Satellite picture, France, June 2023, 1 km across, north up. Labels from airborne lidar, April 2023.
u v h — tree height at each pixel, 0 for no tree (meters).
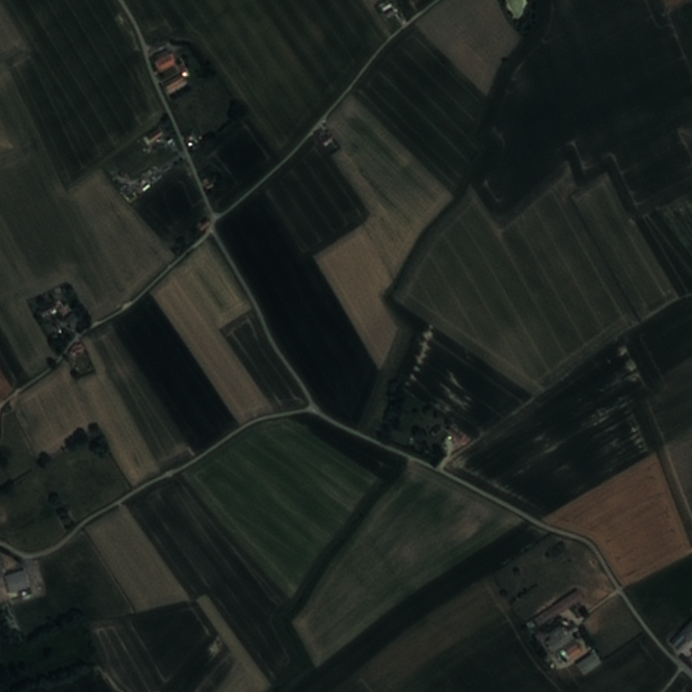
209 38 0
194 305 0
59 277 0
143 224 0
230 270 0
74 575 0
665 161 0
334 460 0
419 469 0
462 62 0
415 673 0
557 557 0
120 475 0
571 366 0
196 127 0
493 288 0
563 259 0
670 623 0
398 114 0
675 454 0
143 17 0
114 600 0
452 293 0
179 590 0
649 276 0
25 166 0
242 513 0
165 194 0
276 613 0
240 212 0
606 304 0
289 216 0
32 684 13
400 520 0
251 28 0
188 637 0
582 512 0
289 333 0
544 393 0
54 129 0
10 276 0
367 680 0
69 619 16
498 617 0
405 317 0
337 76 0
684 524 0
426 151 0
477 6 0
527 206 0
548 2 0
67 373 0
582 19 0
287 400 0
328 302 0
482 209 0
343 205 0
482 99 0
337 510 0
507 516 0
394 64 0
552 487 0
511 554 0
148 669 0
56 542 0
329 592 0
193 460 0
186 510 0
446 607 0
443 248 0
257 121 0
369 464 0
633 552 0
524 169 0
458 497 0
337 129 0
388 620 0
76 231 0
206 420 0
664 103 0
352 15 0
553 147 0
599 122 0
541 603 0
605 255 0
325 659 0
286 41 0
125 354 0
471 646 0
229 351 0
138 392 0
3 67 0
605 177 0
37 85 0
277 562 0
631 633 0
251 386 0
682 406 0
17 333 0
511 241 0
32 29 0
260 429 0
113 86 0
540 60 0
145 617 0
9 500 0
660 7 0
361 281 0
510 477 0
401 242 0
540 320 0
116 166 0
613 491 0
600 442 0
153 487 0
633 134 0
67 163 0
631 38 0
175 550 0
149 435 0
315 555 0
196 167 0
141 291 0
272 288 0
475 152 0
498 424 0
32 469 0
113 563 0
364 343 0
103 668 0
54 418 0
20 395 0
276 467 0
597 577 0
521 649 0
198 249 0
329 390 0
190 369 0
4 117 0
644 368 0
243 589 0
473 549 0
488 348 0
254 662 0
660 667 0
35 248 0
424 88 0
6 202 0
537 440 0
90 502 0
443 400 0
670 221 0
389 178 0
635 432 0
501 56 0
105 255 0
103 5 0
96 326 0
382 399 0
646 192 0
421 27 0
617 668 0
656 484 0
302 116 0
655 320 0
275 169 0
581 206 0
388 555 0
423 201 0
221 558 0
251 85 0
